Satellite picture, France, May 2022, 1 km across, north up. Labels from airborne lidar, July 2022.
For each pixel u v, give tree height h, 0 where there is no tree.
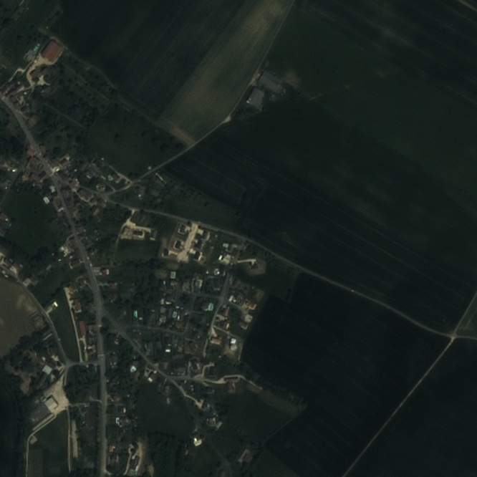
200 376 0
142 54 0
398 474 0
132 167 0
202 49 0
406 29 0
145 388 0
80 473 16
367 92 0
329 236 0
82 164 12
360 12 0
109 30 0
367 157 0
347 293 0
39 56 0
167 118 0
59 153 10
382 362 0
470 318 0
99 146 0
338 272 0
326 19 0
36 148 0
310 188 0
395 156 0
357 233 0
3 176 10
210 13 0
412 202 0
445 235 0
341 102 0
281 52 0
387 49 0
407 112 0
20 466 20
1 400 0
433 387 0
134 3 0
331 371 0
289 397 6
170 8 0
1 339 0
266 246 0
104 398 0
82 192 0
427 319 0
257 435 0
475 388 0
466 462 0
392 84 0
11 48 0
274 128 0
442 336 0
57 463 0
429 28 0
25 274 0
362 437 0
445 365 0
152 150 0
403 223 0
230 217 0
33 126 0
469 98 0
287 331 0
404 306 0
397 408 0
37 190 7
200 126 0
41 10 0
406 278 0
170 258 0
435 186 0
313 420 0
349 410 0
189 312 0
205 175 0
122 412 0
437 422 0
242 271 0
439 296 0
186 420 0
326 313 0
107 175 0
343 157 0
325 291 0
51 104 7
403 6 0
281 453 0
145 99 0
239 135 0
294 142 0
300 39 0
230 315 0
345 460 0
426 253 0
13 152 20
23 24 0
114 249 0
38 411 0
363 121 0
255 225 0
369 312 0
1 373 20
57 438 0
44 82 0
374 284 0
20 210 0
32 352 11
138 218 0
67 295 0
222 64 0
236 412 0
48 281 0
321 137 0
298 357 0
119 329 0
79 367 6
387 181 0
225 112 0
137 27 0
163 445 9
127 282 0
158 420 0
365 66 0
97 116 11
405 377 0
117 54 0
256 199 0
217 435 6
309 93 0
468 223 0
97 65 0
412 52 0
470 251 0
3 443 0
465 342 0
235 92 0
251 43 0
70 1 0
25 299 0
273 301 0
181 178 0
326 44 0
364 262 0
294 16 0
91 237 0
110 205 0
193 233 0
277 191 0
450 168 0
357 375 0
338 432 0
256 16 0
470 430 0
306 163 0
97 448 8
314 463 0
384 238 0
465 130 0
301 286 0
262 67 0
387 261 0
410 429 0
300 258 0
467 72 0
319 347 0
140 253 0
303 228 0
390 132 0
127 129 0
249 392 0
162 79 0
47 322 6
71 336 0
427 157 0
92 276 0
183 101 0
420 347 0
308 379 0
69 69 0
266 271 0
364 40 0
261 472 0
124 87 0
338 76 0
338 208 0
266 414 0
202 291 8
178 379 0
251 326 0
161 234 0
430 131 0
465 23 0
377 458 0
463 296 0
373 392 0
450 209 0
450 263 0
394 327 0
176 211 0
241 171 0
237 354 0
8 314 0
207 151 0
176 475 7
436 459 0
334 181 0
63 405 0
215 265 0
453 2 0
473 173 0
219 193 0
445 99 0
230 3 0
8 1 0
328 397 0
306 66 0
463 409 0
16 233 0
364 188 0
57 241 0
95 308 0
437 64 0
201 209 0
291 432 0
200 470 0
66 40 0
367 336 0
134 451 9
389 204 0
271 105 0
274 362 0
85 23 0
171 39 0
